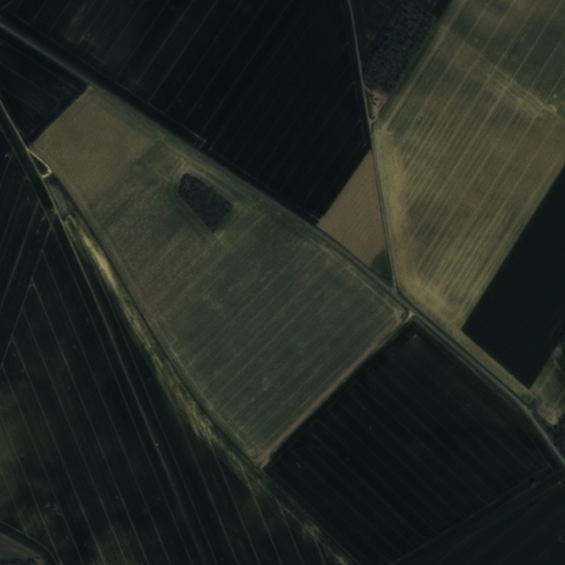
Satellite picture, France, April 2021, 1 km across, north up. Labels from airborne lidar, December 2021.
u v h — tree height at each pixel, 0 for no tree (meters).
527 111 0
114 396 0
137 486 0
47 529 0
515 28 0
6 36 0
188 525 0
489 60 0
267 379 0
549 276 0
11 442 0
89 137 0
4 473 0
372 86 15
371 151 0
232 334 0
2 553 0
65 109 0
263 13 0
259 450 0
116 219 0
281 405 0
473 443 0
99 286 0
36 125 0
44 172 0
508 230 0
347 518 0
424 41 12
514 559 0
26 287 0
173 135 0
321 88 0
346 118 0
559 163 0
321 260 0
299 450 0
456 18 0
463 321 0
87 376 0
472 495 0
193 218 0
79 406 0
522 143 0
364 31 0
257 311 0
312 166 0
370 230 0
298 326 0
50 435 0
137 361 0
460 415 0
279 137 0
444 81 0
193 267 0
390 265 0
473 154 0
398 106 0
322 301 0
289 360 0
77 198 0
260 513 0
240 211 0
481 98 0
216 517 0
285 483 0
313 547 0
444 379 0
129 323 0
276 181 0
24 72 0
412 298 0
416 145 0
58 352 0
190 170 0
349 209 0
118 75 0
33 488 0
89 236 0
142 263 0
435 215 0
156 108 0
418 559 0
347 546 0
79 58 0
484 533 0
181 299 0
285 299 0
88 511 0
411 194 0
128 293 0
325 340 0
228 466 0
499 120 0
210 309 0
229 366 0
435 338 0
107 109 0
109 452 0
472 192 0
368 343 0
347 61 0
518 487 0
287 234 0
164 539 0
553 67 0
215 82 0
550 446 0
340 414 0
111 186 0
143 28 0
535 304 0
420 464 0
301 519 0
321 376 0
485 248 0
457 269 0
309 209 0
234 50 0
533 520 0
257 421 0
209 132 0
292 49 0
